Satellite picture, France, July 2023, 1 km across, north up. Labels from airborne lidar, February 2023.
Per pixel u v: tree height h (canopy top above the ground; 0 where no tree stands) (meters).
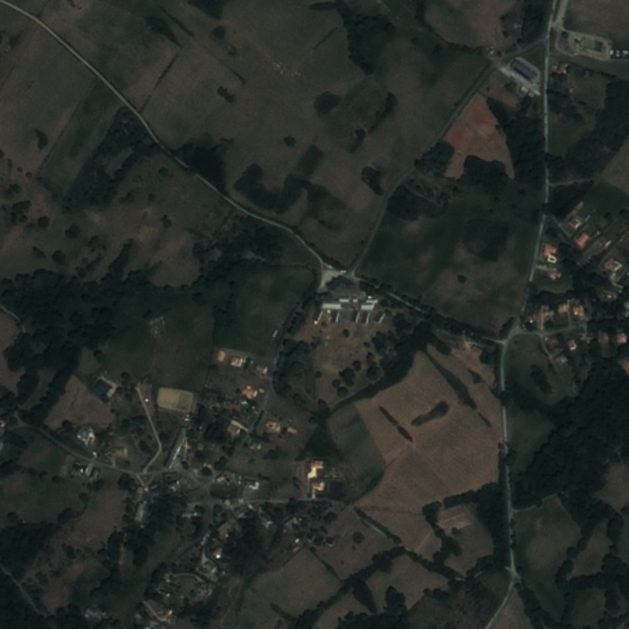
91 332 15
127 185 0
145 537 14
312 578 0
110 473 0
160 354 0
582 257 17
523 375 0
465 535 0
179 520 14
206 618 12
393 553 6
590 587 18
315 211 0
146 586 0
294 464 0
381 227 0
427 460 0
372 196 0
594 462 17
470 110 0
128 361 0
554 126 0
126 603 0
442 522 0
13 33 0
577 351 0
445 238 0
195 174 9
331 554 0
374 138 0
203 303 19
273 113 0
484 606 7
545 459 19
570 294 11
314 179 0
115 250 0
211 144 0
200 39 0
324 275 0
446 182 0
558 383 0
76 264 0
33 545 14
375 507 0
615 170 0
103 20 0
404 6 0
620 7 0
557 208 7
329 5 9
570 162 8
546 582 0
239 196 0
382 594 0
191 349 0
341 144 0
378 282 11
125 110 9
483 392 0
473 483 0
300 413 0
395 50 0
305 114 0
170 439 11
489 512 8
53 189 0
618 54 0
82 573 0
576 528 0
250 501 0
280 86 0
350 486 0
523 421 0
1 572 17
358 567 0
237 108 0
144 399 0
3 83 0
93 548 0
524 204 0
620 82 9
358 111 0
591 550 0
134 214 0
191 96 0
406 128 0
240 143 0
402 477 0
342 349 0
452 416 0
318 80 0
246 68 0
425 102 0
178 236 0
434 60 0
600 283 18
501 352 12
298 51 0
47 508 0
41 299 17
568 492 19
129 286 17
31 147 0
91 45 0
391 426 0
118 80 0
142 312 0
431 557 0
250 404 9
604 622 13
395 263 0
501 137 0
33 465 0
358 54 22
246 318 0
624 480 0
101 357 19
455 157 0
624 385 14
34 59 0
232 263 7
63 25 0
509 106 0
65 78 0
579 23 0
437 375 0
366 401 0
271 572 0
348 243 0
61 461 0
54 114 0
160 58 0
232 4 0
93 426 0
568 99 14
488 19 0
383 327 0
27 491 0
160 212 0
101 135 0
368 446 0
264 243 8
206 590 0
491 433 0
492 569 13
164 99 0
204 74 0
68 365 22
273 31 0
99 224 0
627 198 0
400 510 0
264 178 0
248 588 0
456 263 0
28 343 18
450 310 0
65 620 16
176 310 0
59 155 0
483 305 0
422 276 0
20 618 10
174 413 0
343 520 0
